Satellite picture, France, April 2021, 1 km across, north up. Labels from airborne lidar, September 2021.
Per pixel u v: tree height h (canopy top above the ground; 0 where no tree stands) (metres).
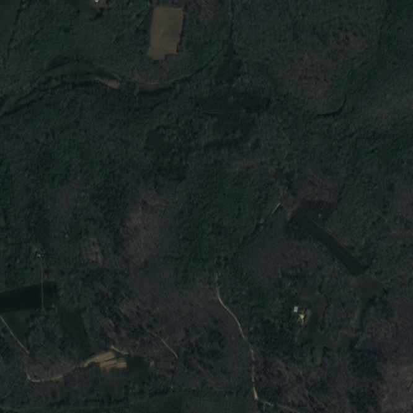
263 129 23
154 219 15
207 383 17
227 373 24
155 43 0
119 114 27
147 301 19
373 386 18
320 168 15
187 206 20
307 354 14
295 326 7
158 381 18
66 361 13
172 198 21
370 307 13
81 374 16
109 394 0
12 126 12
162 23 0
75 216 21
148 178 19
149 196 19
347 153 16
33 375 11
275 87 20
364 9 25
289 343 15
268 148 26
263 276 19
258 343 20
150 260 16
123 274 18
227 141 12
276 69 19
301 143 14
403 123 23
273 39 15
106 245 20
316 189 20
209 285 15
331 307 20
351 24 17
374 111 12
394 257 16
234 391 14
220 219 13
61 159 22
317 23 15
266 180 24
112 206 24
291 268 14
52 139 19
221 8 16
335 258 19
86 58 22
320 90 13
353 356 16
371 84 15
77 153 24
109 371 0
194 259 15
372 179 17
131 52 19
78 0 0
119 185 22
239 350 21
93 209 19
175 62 13
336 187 8
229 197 16
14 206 20
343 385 18
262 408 18
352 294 20
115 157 22
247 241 21
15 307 0
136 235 20
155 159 22
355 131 32
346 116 19
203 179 17
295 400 12
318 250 22
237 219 17
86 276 24
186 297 13
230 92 15
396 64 19
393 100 13
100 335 15
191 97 10
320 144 10
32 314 0
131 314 16
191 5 20
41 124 20
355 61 21
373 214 19
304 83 15
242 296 17
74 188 20
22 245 25
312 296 12
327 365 18
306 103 14
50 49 21
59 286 18
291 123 25
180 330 13
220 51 15
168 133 24
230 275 18
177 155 8
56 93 19
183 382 12
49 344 20
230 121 11
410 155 20
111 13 20
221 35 24
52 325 19
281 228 17
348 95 20
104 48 17
